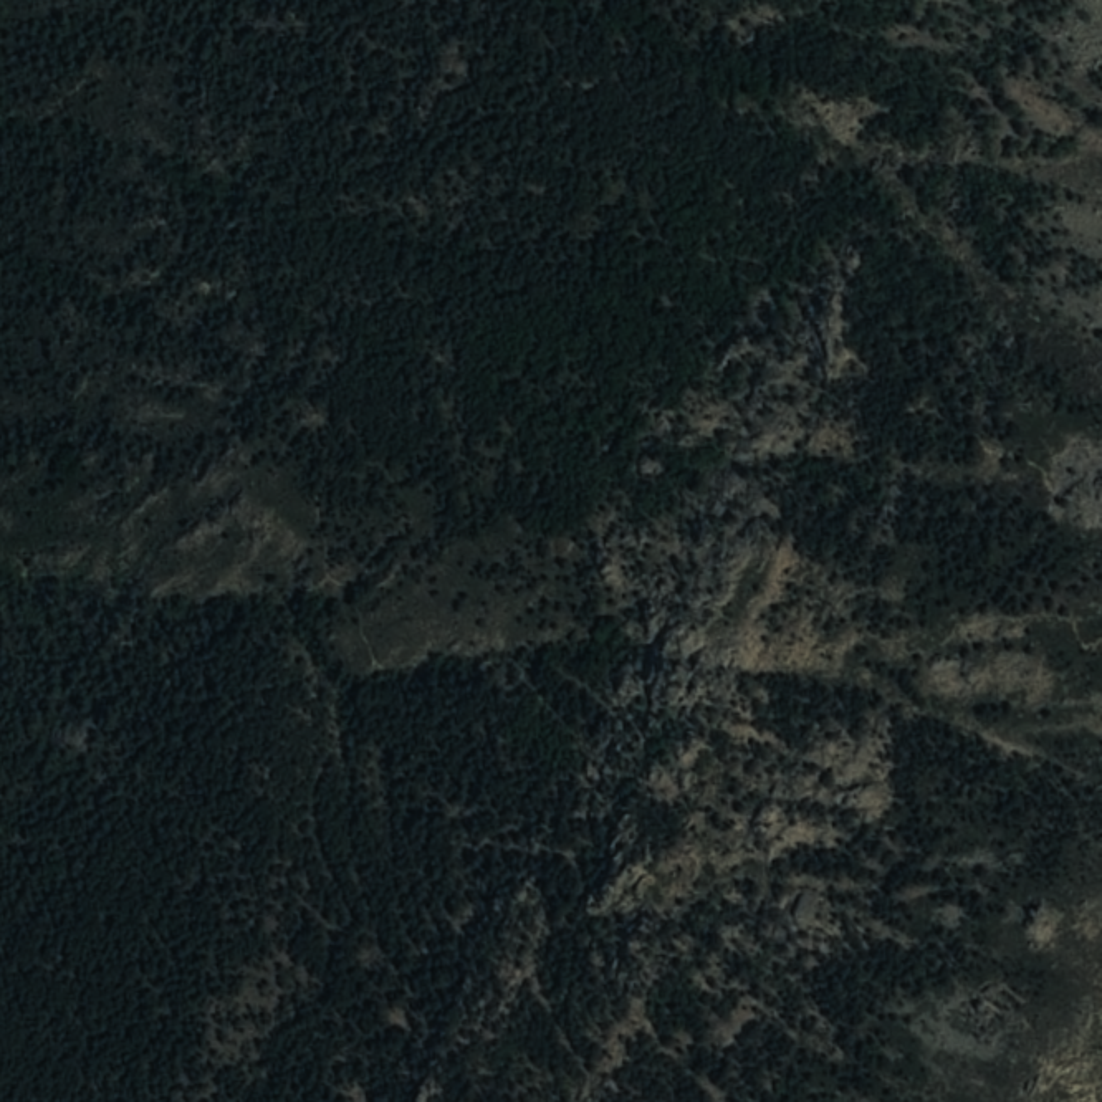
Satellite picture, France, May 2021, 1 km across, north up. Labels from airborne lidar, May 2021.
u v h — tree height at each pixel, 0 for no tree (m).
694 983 9
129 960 15
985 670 0
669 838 10
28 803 9
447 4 14
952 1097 0
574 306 20
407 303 13
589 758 14
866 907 15
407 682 13
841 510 8
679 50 19
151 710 13
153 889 17
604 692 6
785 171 13
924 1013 0
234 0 15
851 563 7
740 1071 16
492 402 14
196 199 19
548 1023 16
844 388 11
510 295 22
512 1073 11
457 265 23
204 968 15
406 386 15
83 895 15
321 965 19
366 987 21
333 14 6
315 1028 7
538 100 12
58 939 16
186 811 17
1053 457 0
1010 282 16
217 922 14
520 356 13
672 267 15
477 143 19
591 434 10
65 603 9
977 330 12
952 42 11
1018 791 8
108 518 9
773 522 9
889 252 10
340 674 17
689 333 17
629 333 16
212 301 15
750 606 0
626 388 8
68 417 10
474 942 10
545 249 17
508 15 15
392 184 16
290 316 14
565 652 18
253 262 14
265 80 13
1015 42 11
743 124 10
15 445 16
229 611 22
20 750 9
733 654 0
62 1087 15
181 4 11
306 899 16
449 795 15
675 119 15
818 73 15
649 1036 15
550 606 15
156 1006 16
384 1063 11
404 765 17
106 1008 17
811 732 7
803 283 16
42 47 20
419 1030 15
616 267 20
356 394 13
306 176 17
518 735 13
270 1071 9
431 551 12
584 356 11
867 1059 11
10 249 7
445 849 15
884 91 8
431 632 0
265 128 7
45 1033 12
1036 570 13
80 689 19
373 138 15
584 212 17
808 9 15
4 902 15
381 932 15
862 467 8
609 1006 8
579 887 16
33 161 16
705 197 13
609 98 16
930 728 10
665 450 12
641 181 16
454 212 7
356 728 15
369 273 12
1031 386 9
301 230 19
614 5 20
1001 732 0
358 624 10
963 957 10
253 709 14
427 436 13
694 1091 20
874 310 15
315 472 11
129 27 13
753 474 17
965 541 10
